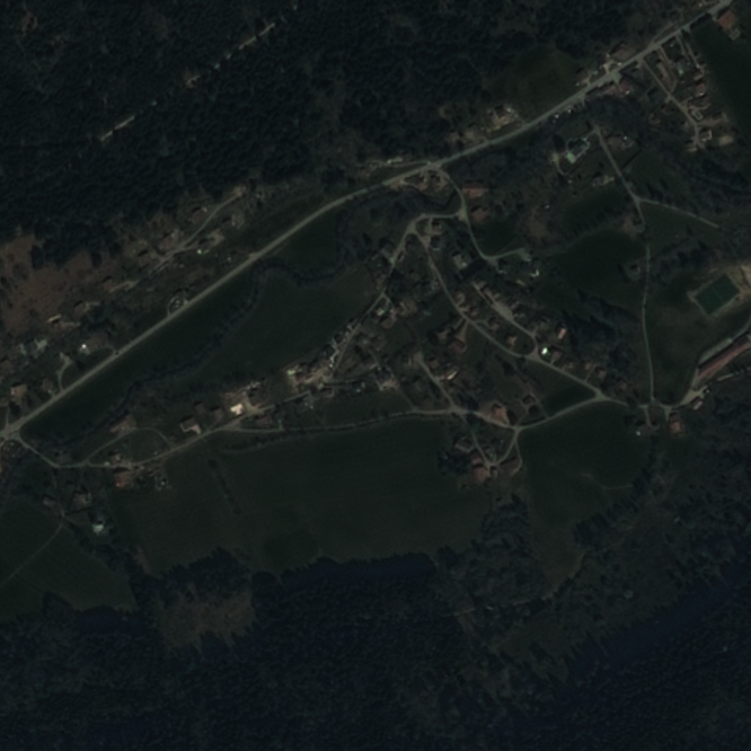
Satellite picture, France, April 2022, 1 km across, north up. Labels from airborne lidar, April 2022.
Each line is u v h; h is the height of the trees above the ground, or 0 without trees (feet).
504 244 0
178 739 93
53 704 54
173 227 0
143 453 0
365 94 79
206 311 0
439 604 74
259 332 0
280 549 0
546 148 77
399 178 0
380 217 57
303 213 0
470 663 23
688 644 106
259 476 0
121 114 52
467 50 106
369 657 69
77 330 26
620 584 33
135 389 25
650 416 0
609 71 0
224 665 98
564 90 0
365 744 80
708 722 90
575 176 20
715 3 0
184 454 0
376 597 91
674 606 0
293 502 0
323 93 23
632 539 0
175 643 0
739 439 0
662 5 50
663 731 92
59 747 77
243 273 0
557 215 53
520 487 0
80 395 0
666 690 95
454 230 54
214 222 0
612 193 0
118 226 45
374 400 0
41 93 24
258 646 83
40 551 0
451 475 22
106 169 91
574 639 25
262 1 72
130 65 73
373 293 0
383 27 58
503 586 17
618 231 0
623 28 61
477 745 73
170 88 62
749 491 0
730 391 0
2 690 72
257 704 86
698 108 0
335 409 0
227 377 0
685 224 0
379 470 0
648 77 0
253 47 22
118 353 0
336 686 72
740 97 0
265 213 28
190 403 25
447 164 0
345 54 20
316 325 0
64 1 52
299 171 77
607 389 28
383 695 89
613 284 0
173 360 0
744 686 94
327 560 0
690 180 60
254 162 59
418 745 55
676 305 0
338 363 0
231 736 93
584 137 0
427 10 48
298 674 78
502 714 73
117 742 89
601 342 68
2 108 56
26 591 0
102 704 50
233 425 0
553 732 98
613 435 0
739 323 0
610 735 107
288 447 0
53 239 27
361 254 48
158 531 0
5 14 56
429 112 87
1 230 71
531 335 0
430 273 0
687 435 0
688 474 0
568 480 0
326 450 0
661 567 0
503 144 0
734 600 97
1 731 56
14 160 67
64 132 63
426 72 92
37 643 54
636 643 0
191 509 0
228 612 0
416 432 0
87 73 76
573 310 0
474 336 0
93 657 97
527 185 29
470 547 0
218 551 0
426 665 58
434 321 0
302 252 0
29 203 71
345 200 0
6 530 0
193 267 22
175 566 0
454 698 84
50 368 0
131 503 0
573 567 0
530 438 0
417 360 0
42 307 0
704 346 0
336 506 0
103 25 61
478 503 0
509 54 91
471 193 0
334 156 50
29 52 41
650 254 0
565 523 0
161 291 0
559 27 81
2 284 26
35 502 57
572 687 0
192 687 109
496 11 74
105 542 0
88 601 0
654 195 72
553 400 0
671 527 0
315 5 106
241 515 33
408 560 0
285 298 0
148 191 98
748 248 47
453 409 0
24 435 0
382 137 49
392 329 0
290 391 0
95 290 0
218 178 71
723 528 26
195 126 80
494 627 27
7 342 22
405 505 0
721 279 0
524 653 0
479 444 20
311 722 63
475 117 63
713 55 0
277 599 93
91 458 0
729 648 100
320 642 58
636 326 66
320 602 92
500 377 0
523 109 0
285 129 65
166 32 71
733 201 69
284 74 80
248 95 91
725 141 0
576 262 0
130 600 0
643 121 33
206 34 95
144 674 106
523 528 21
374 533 0
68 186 81
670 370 0
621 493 0
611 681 84
